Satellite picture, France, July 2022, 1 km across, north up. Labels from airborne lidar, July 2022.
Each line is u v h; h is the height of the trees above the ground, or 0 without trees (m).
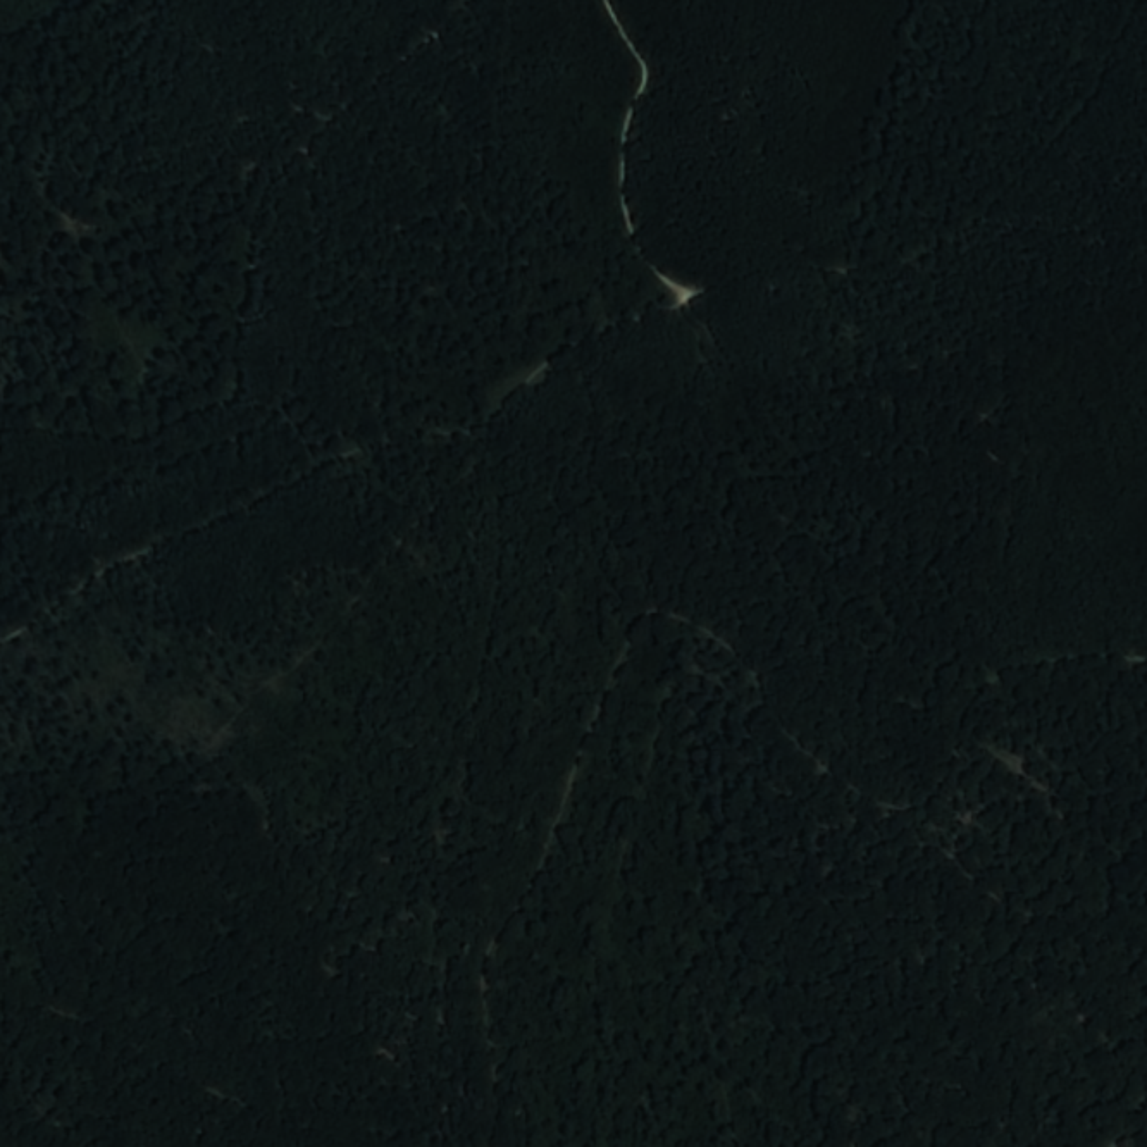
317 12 15
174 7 16
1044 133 19
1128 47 16
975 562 23
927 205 24
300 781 9
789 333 20
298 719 8
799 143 21
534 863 13
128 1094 24
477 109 20
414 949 14
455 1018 27
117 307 20
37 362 25
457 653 23
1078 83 19
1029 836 28
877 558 24
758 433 10
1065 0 16
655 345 20
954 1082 26
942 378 22
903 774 15
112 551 20
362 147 19
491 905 26
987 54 19
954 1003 28
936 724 24
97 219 30
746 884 28
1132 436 9
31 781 19
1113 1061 29
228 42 17
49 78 18
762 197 19
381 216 20
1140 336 11
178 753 19
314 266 21
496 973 33
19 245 29
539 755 18
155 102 18
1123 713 27
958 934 26
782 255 18
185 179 21
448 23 18
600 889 13
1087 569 12
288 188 18
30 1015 20
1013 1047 25
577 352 22
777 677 19
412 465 20
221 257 22
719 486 13
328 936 21
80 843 23
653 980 10
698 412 24
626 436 22
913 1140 28
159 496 24
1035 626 13
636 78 12
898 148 30
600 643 15
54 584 21
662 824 8
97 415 24
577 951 8
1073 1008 27
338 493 17
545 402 18
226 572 18
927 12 22
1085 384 15
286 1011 22
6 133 20
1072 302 16
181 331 28
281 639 12
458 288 18
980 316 18
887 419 20
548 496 16
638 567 26
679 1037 22
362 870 24
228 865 20
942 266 16
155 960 20
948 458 19
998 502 21
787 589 23
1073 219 15
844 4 15
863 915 24
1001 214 17
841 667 23
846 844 23
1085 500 12
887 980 25
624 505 27
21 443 21
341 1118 21
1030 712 20
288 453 18
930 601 21
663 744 14
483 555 22
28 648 20
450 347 16
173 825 24
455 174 21
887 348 20
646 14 7
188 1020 19
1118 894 25
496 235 21
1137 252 17
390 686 9
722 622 22
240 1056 18
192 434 21
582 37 7
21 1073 10
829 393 15
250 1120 23
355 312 20
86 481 16
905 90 26
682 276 18
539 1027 6
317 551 17
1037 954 32
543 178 11
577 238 13
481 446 18
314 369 21
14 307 30
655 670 10
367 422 23
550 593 12
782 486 24
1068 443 13
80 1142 22
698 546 24
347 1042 20
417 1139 21
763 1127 22
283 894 18
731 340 15
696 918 11
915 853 21
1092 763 27
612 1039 32
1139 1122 31
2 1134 23
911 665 25
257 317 22
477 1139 25
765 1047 11
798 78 21
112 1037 20
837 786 19
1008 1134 12
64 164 19
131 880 23
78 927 24
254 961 22
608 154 8
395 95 14
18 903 6
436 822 28
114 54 9
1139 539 6
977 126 18
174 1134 19
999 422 7
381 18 14
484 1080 25
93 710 16
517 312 25
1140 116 17
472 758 17
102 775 21
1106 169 14
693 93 22
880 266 18
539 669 28
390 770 15
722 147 17
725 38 18
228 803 27
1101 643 15
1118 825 25
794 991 27
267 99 15
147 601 17
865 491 26
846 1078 28
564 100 9
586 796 8
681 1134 19
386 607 9
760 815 25
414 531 18
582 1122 27
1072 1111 31
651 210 18
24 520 22
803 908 23
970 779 28
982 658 24
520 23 6
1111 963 30
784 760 27
